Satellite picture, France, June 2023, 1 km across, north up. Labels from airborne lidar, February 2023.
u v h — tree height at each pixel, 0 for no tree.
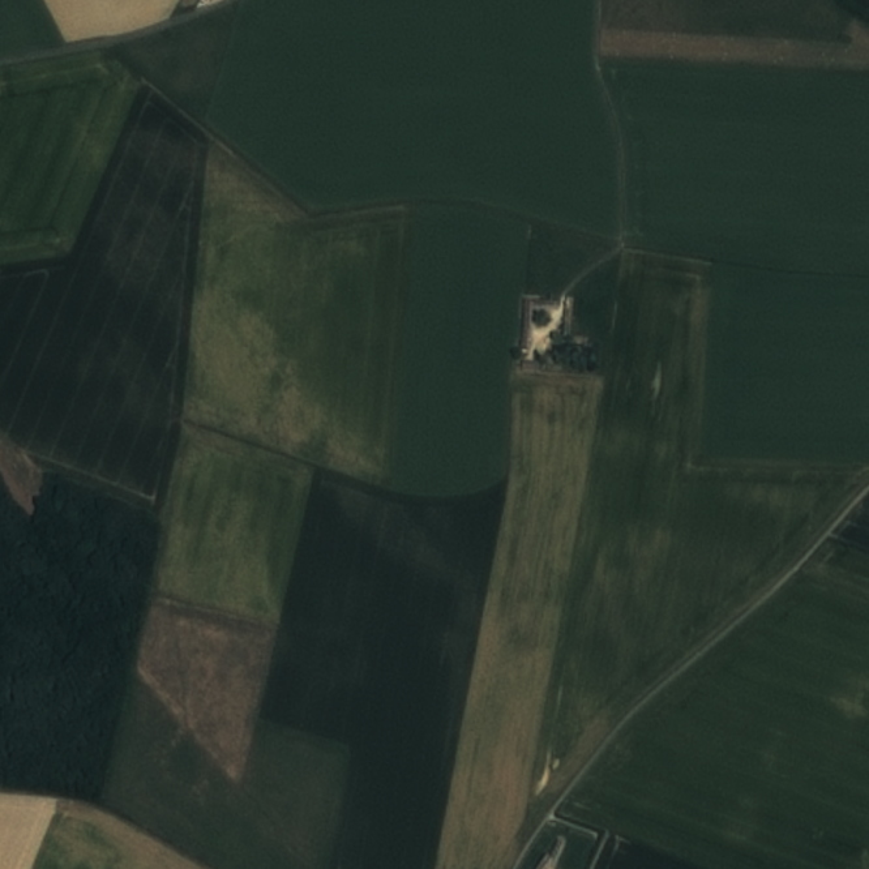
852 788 0
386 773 0
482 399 0
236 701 0
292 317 0
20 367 0
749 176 0
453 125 0
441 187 0
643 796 0
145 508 0
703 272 0
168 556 0
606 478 0
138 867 0
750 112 0
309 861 0
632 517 0
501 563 0
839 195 0
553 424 0
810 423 0
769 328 0
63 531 18
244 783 0
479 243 0
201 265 0
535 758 0
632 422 0
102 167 0
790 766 0
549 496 0
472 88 0
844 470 0
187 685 0
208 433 0
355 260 0
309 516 0
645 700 0
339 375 0
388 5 0
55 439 0
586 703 0
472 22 0
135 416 0
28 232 0
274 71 0
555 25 0
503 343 0
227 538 0
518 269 0
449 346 0
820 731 0
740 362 0
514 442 0
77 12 0
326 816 0
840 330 0
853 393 0
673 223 0
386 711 0
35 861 0
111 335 0
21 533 22
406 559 0
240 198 0
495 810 0
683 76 0
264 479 0
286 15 0
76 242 0
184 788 0
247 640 0
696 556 0
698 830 0
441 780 0
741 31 0
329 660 0
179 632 0
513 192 0
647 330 0
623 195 0
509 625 0
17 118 0
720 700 0
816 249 0
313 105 0
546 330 0
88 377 0
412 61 0
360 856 0
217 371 0
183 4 0
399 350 0
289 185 0
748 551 0
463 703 0
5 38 0
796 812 0
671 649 0
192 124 0
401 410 0
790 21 0
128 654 13
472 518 0
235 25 0
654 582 0
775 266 0
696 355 0
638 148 0
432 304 0
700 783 0
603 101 0
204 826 0
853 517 0
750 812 0
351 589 0
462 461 0
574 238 0
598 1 0
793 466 0
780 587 0
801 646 0
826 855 0
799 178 0
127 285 0
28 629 21
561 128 0
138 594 11
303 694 0
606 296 0
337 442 0
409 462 0
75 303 0
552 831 0
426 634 0
